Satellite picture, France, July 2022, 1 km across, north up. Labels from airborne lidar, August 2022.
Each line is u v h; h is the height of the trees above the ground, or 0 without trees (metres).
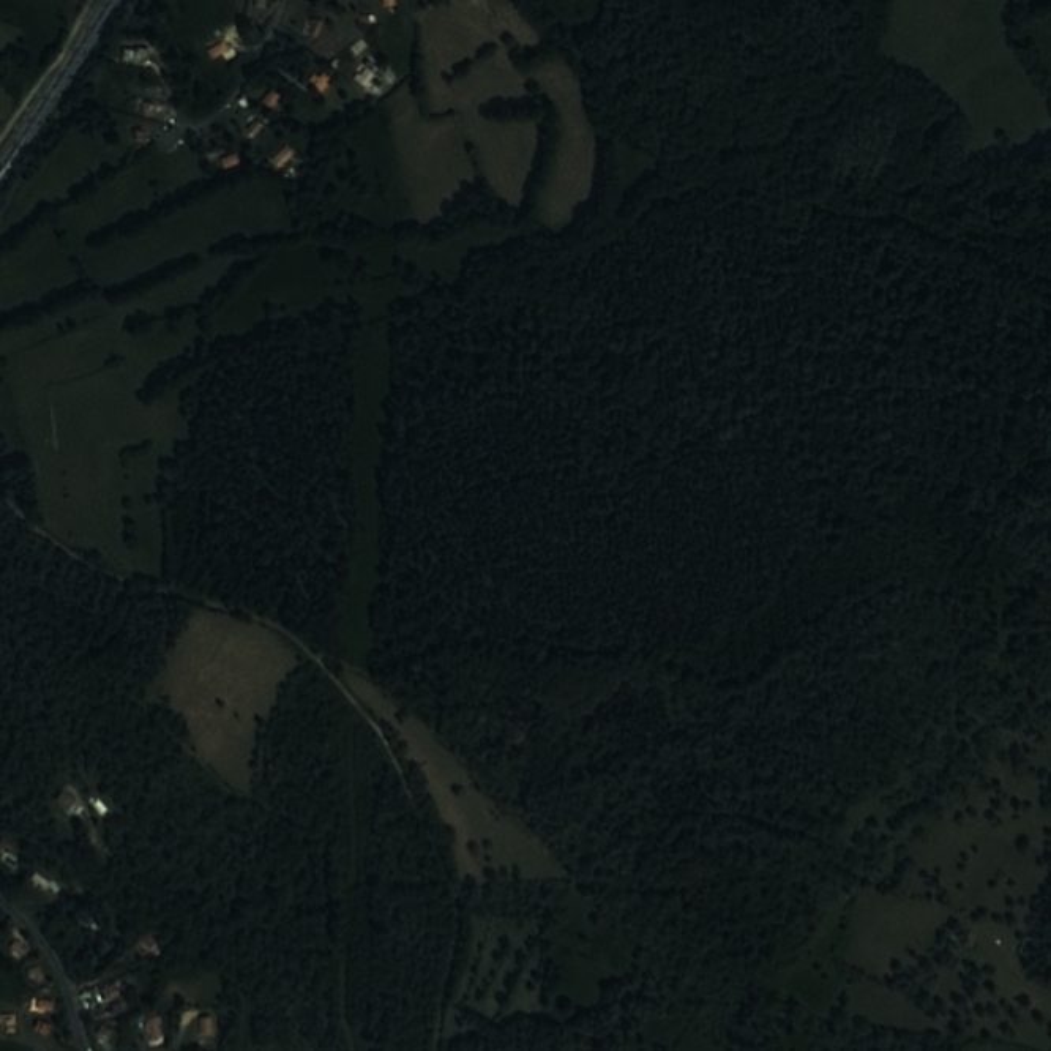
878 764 15
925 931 0
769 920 15
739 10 19
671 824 16
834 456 10
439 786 0
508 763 8
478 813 0
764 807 10
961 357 24
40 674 16
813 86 27
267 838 18
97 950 17
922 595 8
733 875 10
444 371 11
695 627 18
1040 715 6
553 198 0
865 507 8
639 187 13
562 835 17
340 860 6
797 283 14
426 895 18
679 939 8
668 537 17
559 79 0
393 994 10
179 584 8
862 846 18
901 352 23
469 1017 16
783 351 21
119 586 11
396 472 20
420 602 15
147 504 10
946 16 0
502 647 18
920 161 29
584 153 0
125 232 17
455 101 0
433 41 0
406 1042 15
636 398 21
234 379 21
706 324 16
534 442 19
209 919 14
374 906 16
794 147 19
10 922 7
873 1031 7
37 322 15
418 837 18
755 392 13
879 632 8
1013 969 0
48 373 0
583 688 24
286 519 22
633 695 14
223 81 0
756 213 15
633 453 25
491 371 26
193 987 0
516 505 18
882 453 14
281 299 0
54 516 0
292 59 14
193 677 0
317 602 14
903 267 12
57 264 0
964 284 20
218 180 19
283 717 9
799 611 8
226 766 0
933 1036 12
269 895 18
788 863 13
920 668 12
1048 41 0
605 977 0
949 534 11
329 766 8
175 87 15
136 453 9
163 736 16
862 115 31
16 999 0
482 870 0
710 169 12
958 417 24
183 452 16
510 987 15
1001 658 7
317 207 7
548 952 14
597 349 20
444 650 17
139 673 16
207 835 15
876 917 0
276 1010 14
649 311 14
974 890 0
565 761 19
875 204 17
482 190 16
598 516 11
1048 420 34
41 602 21
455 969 14
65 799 0
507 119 19
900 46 0
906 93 32
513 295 19
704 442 13
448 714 11
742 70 16
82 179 0
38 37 0
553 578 18
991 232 8
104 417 0
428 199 0
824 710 14
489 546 18
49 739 15
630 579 19
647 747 17
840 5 38
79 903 24
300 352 22
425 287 16
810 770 11
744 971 10
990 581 13
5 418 0
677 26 12
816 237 20
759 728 11
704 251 21
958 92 0
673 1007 7
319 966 14
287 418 22
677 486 20
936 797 12
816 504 9
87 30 0
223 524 21
